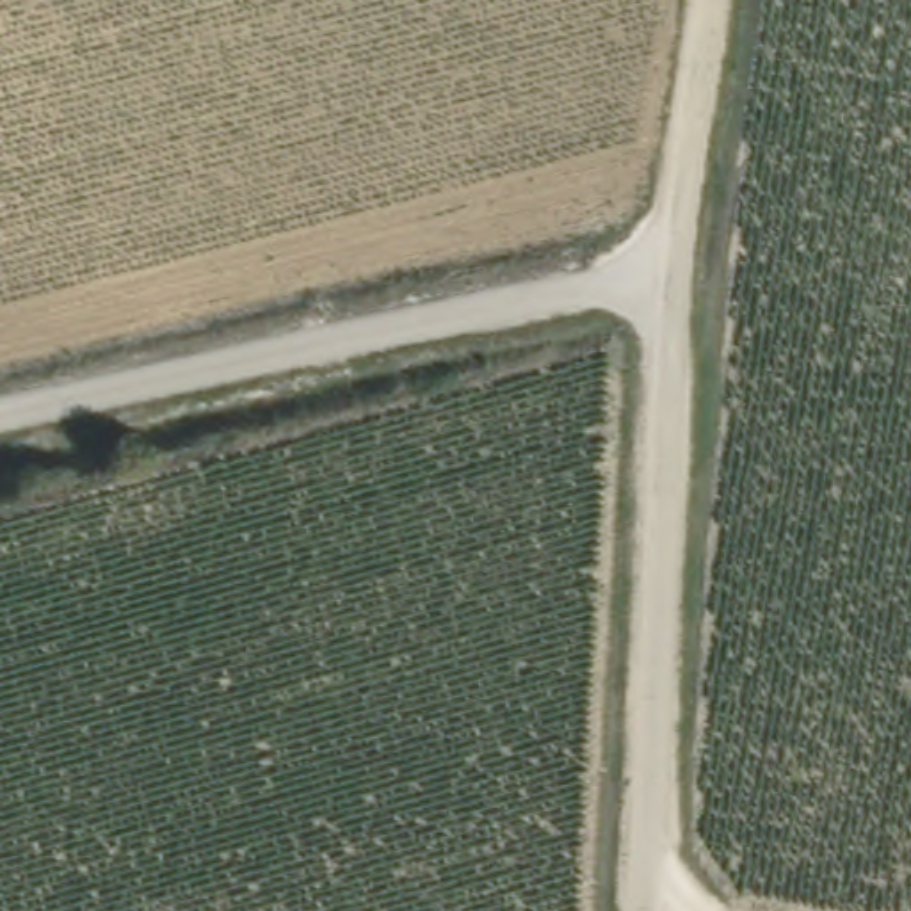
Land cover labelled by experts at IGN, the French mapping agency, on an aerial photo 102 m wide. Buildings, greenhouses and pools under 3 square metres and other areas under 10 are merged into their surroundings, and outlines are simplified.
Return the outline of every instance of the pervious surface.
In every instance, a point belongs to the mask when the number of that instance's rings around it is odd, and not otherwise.
[[[730,911],[694,883],[680,854],[669,854],[662,861],[655,911]]]

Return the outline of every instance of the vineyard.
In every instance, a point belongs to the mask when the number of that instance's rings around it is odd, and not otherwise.
[[[584,359],[559,359],[548,370],[512,374],[495,381],[491,388],[459,388],[456,377],[441,377],[427,384],[427,391],[395,388],[391,395],[356,402],[345,409],[285,420],[263,431],[221,431],[185,448],[160,452],[139,463],[117,463],[114,473],[50,470],[39,473],[14,498],[0,502],[0,911],[594,911],[616,559],[616,463],[623,409],[623,381],[605,374],[605,352]]]
[[[164,359],[210,352],[221,345],[267,338],[299,327],[299,320],[306,317],[338,324],[349,317],[427,306],[466,292],[537,281],[544,274],[587,270],[601,253],[626,242],[630,231],[655,206],[690,0],[0,0],[0,395],[28,391],[57,377],[153,367]]]
[[[719,345],[733,352],[730,359],[740,370],[740,377],[726,381],[715,402],[715,431],[726,434],[726,452],[715,520],[705,530],[701,555],[705,576],[712,576],[712,612],[701,616],[697,641],[697,651],[708,658],[705,697],[694,712],[694,730],[705,730],[705,758],[697,772],[705,804],[697,833],[719,861],[722,875],[730,875],[730,883],[740,893],[779,897],[829,911],[911,911],[911,0],[783,0],[783,7],[769,11],[769,25],[762,32],[762,39],[776,46],[776,60],[758,64],[754,89],[747,93],[744,142],[733,153],[733,164],[747,167],[740,185],[747,203],[740,203],[737,210],[740,231],[726,242],[726,263],[737,267],[737,317],[722,320]]]

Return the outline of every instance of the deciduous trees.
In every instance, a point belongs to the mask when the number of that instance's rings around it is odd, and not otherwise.
[[[117,463],[139,463],[160,452],[146,427],[125,427]]]

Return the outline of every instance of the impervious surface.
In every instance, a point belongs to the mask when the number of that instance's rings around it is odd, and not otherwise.
[[[626,242],[601,253],[587,270],[544,274],[537,281],[466,292],[427,306],[349,317],[338,324],[306,317],[299,320],[299,327],[267,338],[221,345],[210,352],[164,359],[153,367],[57,377],[28,391],[0,395],[0,434],[28,423],[50,423],[75,409],[107,413],[114,406],[164,399],[174,391],[214,388],[288,367],[320,367],[406,342],[516,327],[559,313],[609,310],[630,320],[630,327],[641,338],[644,395],[633,441],[637,520],[619,911],[655,911],[662,861],[669,854],[680,854],[680,594],[694,409],[690,274],[697,206],[708,164],[708,132],[719,100],[733,0],[690,0],[655,206],[630,231]]]

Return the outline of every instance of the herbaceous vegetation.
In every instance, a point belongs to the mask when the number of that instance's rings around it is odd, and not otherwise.
[[[623,381],[623,409],[616,463],[616,559],[594,911],[619,911],[637,520],[633,441],[644,395],[641,338],[630,327],[630,320],[609,310],[559,313],[516,327],[406,342],[320,367],[288,367],[214,388],[174,391],[164,399],[114,406],[107,413],[75,409],[50,423],[28,423],[0,434],[0,502],[14,498],[39,473],[50,470],[114,473],[117,463],[125,427],[146,427],[160,452],[185,448],[221,431],[263,431],[285,420],[345,409],[356,402],[391,395],[395,388],[427,391],[427,384],[441,377],[456,377],[459,388],[491,388],[495,381],[512,374],[548,370],[559,359],[584,359],[605,352],[605,374]]]
[[[776,46],[762,39],[762,32],[769,25],[769,11],[783,7],[783,0],[733,0],[719,100],[708,132],[708,164],[697,206],[690,274],[694,409],[680,594],[680,854],[694,883],[730,911],[829,911],[779,897],[740,893],[730,883],[730,875],[722,875],[719,861],[697,833],[705,804],[697,772],[705,758],[705,730],[694,730],[694,712],[705,697],[708,658],[697,651],[697,641],[701,616],[712,612],[712,576],[705,576],[701,555],[705,530],[715,520],[726,452],[726,434],[715,431],[715,402],[726,381],[740,377],[740,370],[730,359],[733,352],[719,345],[722,320],[737,317],[737,267],[726,263],[726,242],[740,231],[737,210],[740,203],[747,203],[740,185],[747,167],[733,164],[733,153],[744,142],[747,93],[754,89],[758,64],[776,60]]]

